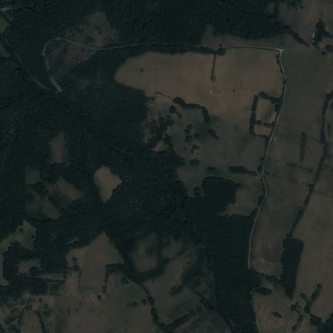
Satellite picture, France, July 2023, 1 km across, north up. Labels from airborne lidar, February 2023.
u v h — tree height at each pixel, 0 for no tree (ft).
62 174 41
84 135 27
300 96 0
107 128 59
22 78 70
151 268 0
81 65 37
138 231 52
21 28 45
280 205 0
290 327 0
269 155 0
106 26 0
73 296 0
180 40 64
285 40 0
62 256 19
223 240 65
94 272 0
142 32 62
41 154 52
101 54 45
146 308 0
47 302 0
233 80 0
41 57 27
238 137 0
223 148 0
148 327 0
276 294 0
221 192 66
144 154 74
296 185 0
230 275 58
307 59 0
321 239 0
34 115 85
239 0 67
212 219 68
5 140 71
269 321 0
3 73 50
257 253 0
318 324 53
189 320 32
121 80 0
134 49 45
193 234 28
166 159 70
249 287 26
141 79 0
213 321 0
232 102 0
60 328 0
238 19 78
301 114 0
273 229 0
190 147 0
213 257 79
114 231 61
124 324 0
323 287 37
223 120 0
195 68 0
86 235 28
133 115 23
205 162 0
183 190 73
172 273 0
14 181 61
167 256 0
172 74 0
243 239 35
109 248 0
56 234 63
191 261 0
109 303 0
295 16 0
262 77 0
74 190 0
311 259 0
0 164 83
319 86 0
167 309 0
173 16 81
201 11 68
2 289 52
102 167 29
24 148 66
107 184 0
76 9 50
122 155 81
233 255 20
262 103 0
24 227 0
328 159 0
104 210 45
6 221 54
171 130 0
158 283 0
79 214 52
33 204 0
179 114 21
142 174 81
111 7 62
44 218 0
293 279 30
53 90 53
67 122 47
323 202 0
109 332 0
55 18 80
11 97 31
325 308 0
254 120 54
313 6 0
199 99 0
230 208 0
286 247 48
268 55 0
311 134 0
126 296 0
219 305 19
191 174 0
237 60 0
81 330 0
